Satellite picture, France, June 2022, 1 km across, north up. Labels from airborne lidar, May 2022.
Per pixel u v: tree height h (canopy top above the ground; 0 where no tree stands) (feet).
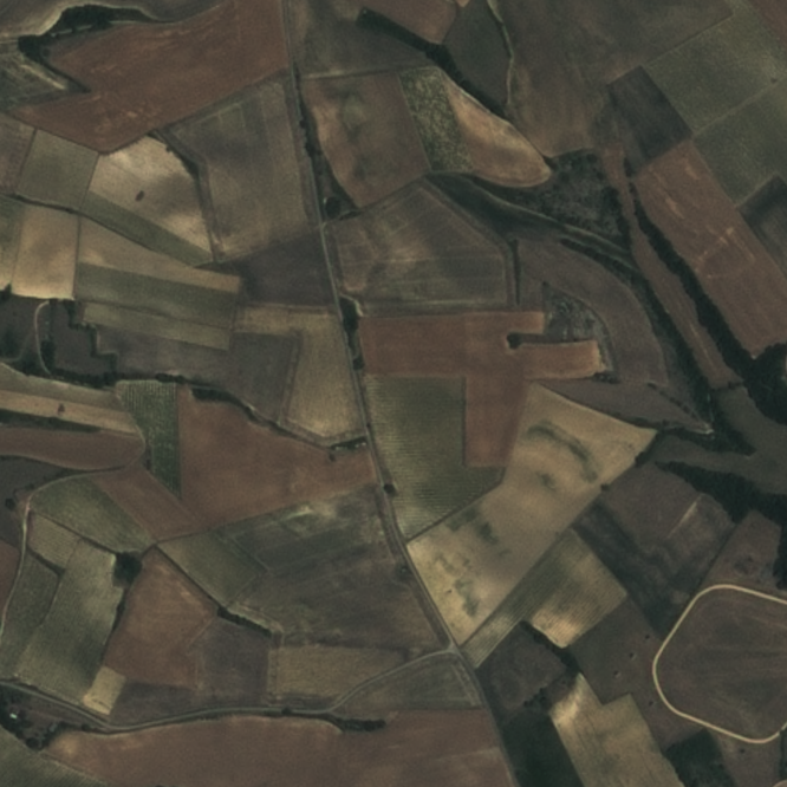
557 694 0
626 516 0
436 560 0
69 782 0
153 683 0
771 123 0
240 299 0
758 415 0
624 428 0
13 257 0
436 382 0
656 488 0
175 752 0
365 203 0
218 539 0
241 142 0
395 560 0
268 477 0
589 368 0
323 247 0
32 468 0
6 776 0
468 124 0
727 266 0
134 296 0
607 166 0
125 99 0
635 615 0
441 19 0
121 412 0
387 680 0
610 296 0
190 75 0
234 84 0
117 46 0
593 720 0
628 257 0
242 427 0
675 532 0
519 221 0
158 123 0
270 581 0
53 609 0
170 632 0
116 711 0
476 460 0
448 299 0
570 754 0
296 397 0
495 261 0
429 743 0
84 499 0
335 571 0
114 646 0
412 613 0
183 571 0
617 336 0
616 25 0
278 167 0
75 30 28
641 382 0
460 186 0
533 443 0
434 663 0
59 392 0
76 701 0
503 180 0
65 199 0
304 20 0
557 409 0
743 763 0
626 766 0
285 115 0
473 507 0
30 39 42
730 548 0
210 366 0
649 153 0
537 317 0
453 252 0
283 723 0
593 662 0
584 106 0
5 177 0
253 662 0
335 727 0
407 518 0
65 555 0
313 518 0
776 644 0
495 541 0
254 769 0
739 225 0
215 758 0
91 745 0
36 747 35
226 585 0
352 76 0
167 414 0
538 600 0
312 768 0
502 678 0
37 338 0
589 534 0
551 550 0
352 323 36
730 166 0
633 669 0
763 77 0
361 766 0
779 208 0
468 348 0
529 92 0
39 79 0
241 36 0
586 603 0
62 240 0
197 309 0
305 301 0
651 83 0
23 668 0
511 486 0
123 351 0
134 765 0
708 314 47
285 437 0
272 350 0
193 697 0
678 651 0
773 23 0
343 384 0
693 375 30
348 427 0
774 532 0
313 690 0
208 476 0
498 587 0
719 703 0
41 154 0
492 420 0
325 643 0
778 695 0
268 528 0
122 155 0
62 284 0
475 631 0
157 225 0
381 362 0
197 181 0
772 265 0
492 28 0
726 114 0
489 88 0
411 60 0
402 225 0
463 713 0
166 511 0
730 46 0
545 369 0
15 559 0
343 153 0
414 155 0
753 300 0
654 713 0
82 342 0
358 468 0
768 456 0
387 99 0
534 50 0
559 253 0
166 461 0
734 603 0
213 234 0
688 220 0
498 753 0
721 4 0
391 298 0
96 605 0
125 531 0
